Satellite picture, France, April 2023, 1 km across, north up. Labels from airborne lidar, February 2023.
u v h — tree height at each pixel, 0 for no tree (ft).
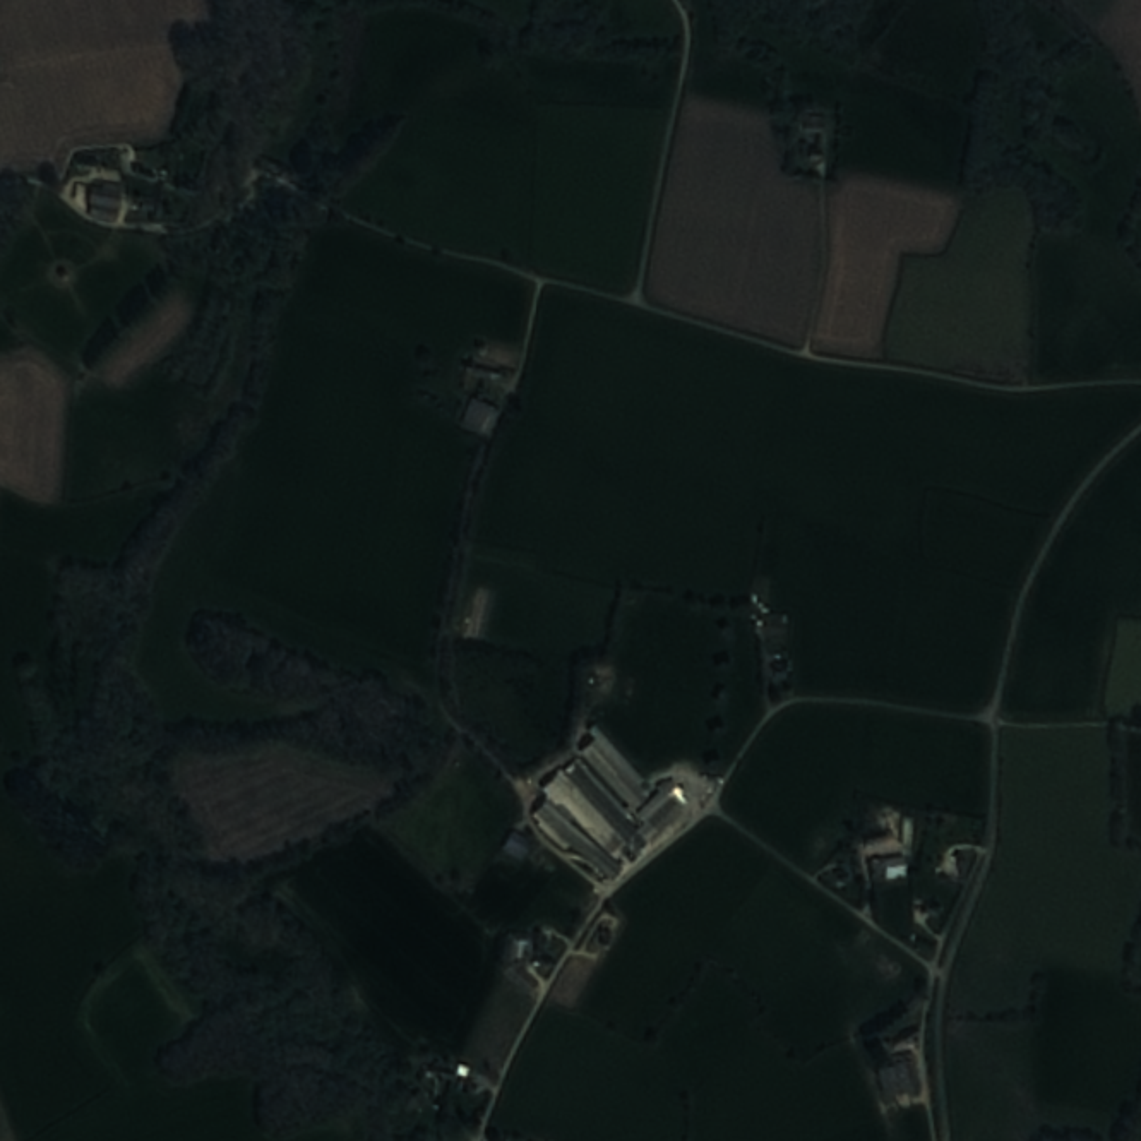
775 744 0
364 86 0
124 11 0
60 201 0
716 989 0
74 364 0
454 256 0
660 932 0
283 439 0
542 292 0
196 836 47
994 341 0
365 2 22
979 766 0
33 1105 0
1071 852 0
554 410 0
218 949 36
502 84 0
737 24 27
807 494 0
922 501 0
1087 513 0
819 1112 0
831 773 0
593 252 0
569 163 0
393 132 34
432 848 0
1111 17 0
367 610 0
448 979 0
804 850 0
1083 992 0
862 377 0
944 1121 0
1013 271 0
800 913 0
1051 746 0
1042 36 0
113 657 52
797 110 45
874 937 0
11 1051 0
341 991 27
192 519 0
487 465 41
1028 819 0
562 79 0
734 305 0
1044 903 0
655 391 0
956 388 0
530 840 27
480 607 0
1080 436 0
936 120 0
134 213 0
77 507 0
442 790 0
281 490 0
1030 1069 0
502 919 0
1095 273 0
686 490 0
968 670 0
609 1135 0
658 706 0
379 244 0
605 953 0
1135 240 29
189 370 56
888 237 0
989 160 22
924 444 0
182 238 40
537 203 0
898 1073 0
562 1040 0
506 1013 0
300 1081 62
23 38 0
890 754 0
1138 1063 0
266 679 54
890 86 0
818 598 0
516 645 0
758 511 0
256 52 92
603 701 0
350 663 0
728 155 0
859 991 0
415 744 24
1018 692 0
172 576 0
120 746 54
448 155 0
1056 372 0
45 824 63
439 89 0
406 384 0
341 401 0
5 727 0
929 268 0
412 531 0
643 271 0
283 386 0
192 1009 0
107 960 0
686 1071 0
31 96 0
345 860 0
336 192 47
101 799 34
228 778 0
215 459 42
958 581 0
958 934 0
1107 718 0
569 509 0
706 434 0
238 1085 0
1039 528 0
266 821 0
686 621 0
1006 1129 0
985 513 0
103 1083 0
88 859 56
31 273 0
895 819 0
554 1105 0
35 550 0
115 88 0
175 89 0
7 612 0
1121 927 0
